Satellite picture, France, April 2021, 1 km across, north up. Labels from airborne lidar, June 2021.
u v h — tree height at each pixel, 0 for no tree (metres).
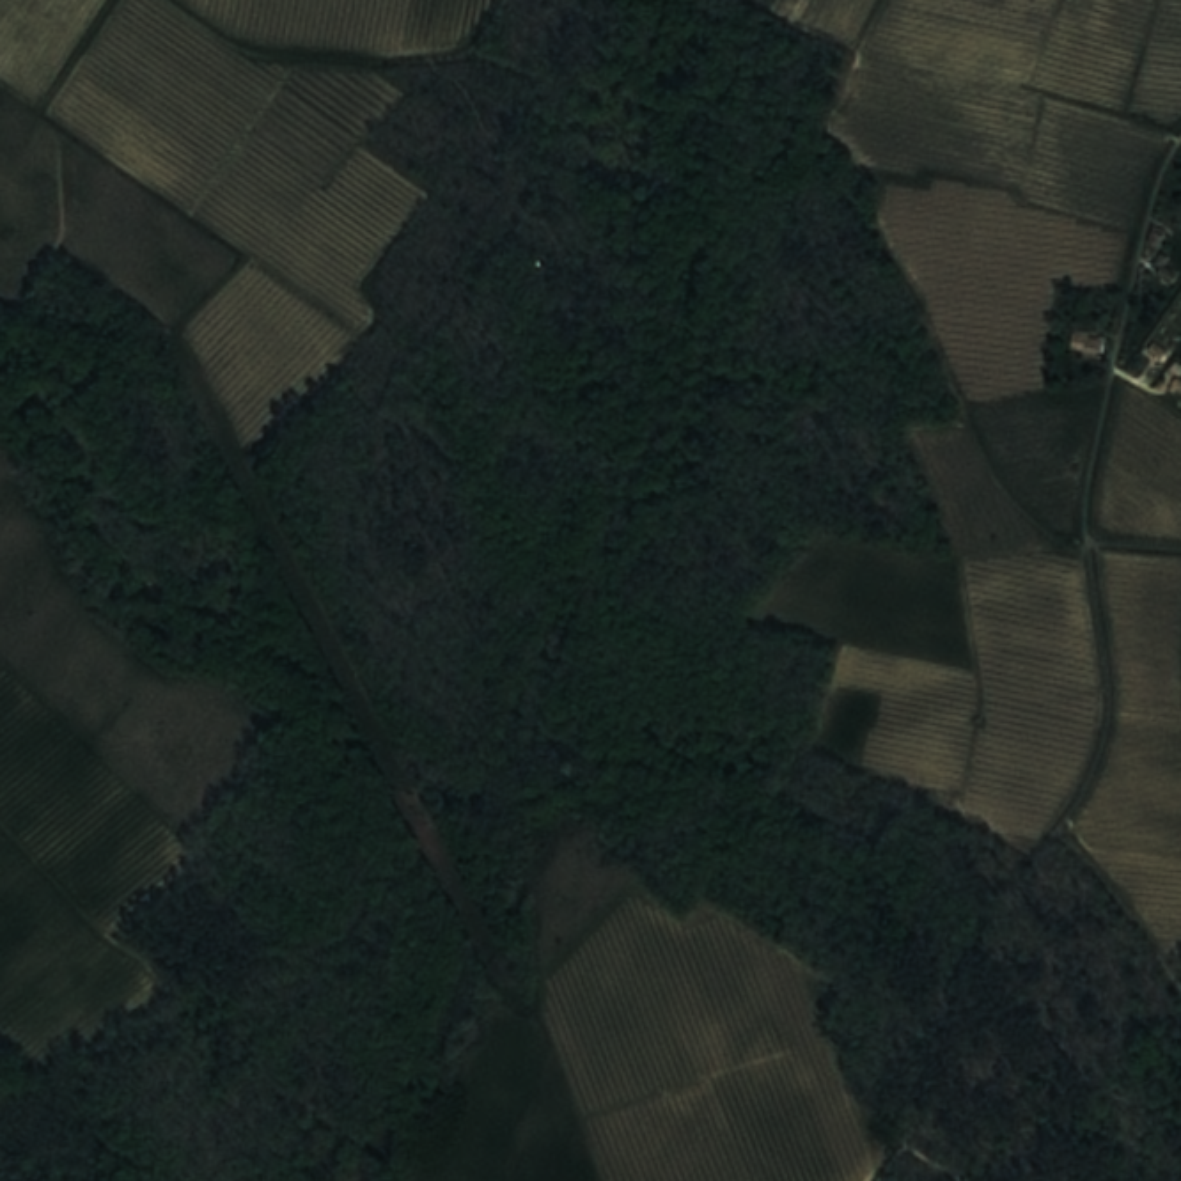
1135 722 0
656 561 21
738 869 22
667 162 21
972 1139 23
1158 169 0
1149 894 0
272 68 0
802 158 19
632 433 26
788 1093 0
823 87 23
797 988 0
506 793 21
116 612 17
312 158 0
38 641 0
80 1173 26
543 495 20
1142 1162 17
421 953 23
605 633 23
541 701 23
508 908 17
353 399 15
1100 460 0
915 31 0
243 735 0
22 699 0
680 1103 0
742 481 22
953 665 0
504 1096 0
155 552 21
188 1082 19
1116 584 0
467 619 19
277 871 19
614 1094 0
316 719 25
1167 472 0
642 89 25
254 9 0
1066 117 0
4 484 0
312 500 20
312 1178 21
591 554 25
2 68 0
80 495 24
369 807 21
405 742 22
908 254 0
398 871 20
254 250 0
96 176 0
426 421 13
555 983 0
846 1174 0
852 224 17
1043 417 0
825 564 0
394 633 15
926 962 25
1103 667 0
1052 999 10
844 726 0
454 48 0
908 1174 16
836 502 22
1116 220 0
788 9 0
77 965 0
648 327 23
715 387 15
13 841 0
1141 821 0
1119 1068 24
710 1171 0
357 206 0
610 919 0
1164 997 12
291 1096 17
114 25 0
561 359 22
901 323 18
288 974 21
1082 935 14
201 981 20
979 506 0
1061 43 0
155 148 0
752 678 23
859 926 21
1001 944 21
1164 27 0
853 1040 13
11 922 0
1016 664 0
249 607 23
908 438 14
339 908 22
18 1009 0
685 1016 0
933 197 0
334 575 17
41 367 26
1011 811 0
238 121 0
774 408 24
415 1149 10
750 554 18
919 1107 18
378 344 10
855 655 0
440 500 15
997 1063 10
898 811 11
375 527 16
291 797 23
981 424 0
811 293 13
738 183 24
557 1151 0
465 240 9
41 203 0
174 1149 21
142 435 16
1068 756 0
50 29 0
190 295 0
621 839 20
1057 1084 9
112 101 0
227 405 0
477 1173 0
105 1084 24
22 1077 27
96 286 15
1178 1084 17
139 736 0
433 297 10
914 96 0
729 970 0
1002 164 0
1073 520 0
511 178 9
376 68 0
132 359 20
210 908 21
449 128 10
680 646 19
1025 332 0
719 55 23
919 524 17
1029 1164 16
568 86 24
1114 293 12
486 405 21
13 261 0
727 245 22
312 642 19
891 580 0
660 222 32
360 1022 21
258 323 0
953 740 0
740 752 26
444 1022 22
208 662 24
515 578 22
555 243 17
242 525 20
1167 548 0
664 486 20
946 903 22
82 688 0
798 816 22
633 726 25
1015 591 0
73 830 0
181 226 0
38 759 0
